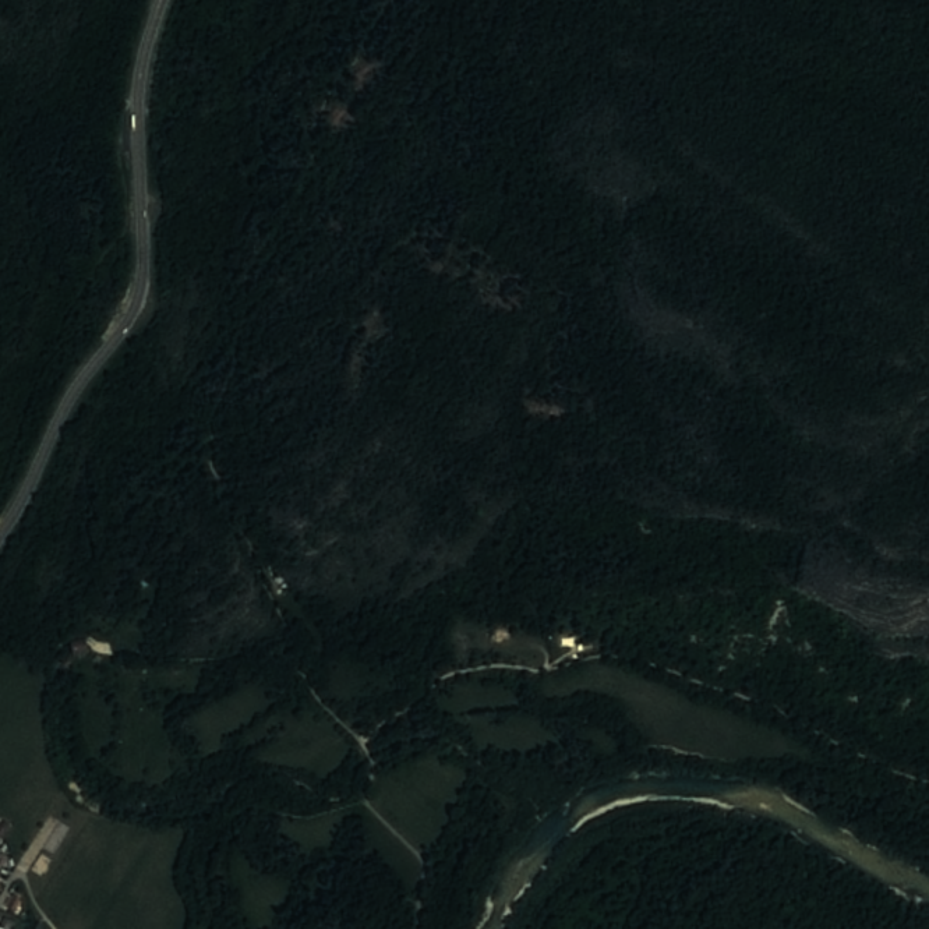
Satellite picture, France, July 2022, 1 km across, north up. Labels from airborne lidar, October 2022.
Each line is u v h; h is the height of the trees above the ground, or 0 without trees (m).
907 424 6
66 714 17
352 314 12
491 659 7
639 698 0
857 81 12
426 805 0
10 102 15
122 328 0
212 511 16
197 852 10
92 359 0
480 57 8
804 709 13
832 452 8
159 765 0
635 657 12
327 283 11
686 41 11
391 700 11
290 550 11
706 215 14
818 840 0
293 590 11
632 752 17
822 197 8
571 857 11
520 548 13
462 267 15
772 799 0
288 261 16
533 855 0
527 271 12
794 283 10
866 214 8
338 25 17
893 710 12
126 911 0
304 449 9
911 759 6
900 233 10
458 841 9
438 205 17
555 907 15
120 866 0
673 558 11
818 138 6
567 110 10
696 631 7
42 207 22
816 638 8
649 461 10
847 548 8
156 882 0
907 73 9
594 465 9
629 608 11
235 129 21
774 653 11
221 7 14
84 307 5
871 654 14
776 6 10
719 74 7
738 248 10
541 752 14
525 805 7
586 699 14
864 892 13
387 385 16
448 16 15
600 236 8
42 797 0
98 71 15
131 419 16
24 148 22
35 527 12
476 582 9
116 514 7
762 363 6
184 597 7
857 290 6
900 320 6
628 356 13
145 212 0
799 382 9
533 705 27
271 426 16
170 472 10
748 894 22
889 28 11
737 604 11
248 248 15
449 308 16
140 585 12
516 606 8
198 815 10
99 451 21
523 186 7
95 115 17
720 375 7
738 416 10
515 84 11
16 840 0
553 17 9
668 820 12
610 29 9
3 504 10
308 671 10
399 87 7
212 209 23
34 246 16
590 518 14
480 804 17
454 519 8
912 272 8
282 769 11
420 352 11
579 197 13
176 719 16
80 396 0
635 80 9
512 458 10
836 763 15
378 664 11
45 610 11
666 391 13
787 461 9
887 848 12
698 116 7
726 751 0
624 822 10
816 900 12
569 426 11
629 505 8
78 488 15
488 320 11
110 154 19
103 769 12
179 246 19
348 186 6
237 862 0
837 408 7
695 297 7
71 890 0
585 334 20
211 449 16
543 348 9
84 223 24
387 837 0
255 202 19
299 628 19
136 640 0
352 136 12
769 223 8
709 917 21
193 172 11
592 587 15
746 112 7
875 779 16
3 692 0
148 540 10
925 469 13
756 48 8
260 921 0
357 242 10
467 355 11
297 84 10
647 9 8
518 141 12
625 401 15
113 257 6
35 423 14
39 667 7
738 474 9
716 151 6
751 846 20
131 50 12
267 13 20
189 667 7
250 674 14
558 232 13
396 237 10
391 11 15
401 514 9
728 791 0
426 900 22
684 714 0
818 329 11
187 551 10
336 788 10
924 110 9
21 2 7
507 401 9
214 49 19
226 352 13
